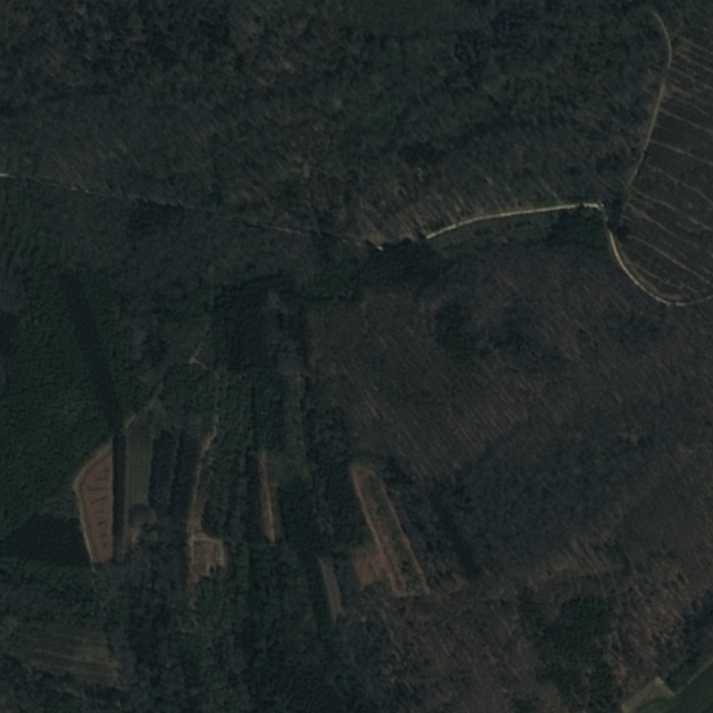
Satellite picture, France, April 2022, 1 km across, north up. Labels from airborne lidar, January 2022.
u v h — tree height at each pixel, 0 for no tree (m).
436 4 22
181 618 15
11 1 11
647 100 35
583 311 27
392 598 32
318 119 26
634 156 28
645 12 31
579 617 14
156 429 0
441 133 37
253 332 28
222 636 28
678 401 28
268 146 32
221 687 14
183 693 30
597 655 12
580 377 24
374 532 24
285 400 18
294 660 27
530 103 10
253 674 23
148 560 28
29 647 0
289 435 16
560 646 16
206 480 12
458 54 27
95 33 9
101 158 34
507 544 28
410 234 32
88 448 13
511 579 33
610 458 27
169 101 21
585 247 23
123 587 25
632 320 26
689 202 9
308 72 15
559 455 30
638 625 27
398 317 10
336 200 12
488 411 0
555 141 38
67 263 10
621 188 35
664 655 28
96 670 0
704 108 7
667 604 32
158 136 33
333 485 25
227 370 21
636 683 30
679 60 7
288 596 32
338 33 12
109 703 16
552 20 30
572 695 15
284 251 30
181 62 12
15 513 14
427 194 37
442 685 7
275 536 35
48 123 30
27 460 10
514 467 28
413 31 22
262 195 31
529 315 27
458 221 31
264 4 38
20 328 18
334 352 11
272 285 26
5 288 22
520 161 37
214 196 9
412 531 23
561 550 35
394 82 31
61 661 0
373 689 29
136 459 0
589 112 7
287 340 13
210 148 32
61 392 14
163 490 30
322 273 22
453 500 25
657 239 9
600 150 36
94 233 27
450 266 16
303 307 17
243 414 14
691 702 0
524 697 10
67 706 17
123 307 15
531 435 29
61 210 26
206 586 13
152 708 31
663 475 29
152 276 28
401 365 11
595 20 31
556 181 36
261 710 18
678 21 31
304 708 32
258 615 12
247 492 30
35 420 16
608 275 26
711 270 7
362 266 26
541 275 28
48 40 13
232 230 27
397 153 27
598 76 8
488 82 25
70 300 14
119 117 22
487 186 36
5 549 13
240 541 31
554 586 5
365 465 15
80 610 20
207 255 26
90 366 14
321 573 18
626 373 29
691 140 7
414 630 9
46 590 23
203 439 28
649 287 0
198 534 32
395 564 23
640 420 24
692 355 23
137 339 28
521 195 36
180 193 29
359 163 6
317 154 13
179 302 23
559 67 36
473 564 17
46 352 16
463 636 9
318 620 13
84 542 13
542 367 24
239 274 25
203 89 14
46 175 26
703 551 21
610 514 33
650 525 21
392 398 18
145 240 23
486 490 33
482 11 16
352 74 33
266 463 31
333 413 13
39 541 14
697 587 20
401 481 22
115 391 13
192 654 19
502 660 8
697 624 24
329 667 29
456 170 36
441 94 21
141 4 10
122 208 27
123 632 30
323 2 30
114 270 13
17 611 24
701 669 23
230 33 12
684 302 0
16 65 16
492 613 7
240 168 33
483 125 0
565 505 31
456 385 11
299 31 31
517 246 24
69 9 9
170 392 12
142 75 12
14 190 20
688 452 28
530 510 34
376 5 23
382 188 35
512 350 25
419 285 14
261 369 25
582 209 7
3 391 8
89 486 22
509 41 28
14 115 16
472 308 22
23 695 23
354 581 30
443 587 27
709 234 10
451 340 18
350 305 20
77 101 23
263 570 34
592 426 29
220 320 16
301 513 24
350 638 26
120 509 21
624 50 13
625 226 8
